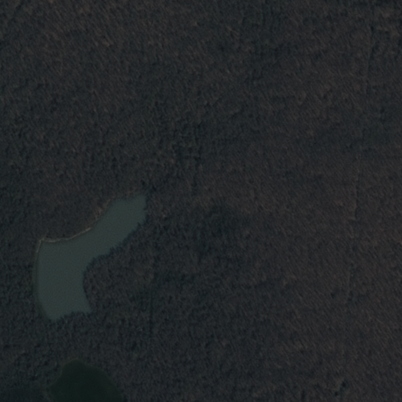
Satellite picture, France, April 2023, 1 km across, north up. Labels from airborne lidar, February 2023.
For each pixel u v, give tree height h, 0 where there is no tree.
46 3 19
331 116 23
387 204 20
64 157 15
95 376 0
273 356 22
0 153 20
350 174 19
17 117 17
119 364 20
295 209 19
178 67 22
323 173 20
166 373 19
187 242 27
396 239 20
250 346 21
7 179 20
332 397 16
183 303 18
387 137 17
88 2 27
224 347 21
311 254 16
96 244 0
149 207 13
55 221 19
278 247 17
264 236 19
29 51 23
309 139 20
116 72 22
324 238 20
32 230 20
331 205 20
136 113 25
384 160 19
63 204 22
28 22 21
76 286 0
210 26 19
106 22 26
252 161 19
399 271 17
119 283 21
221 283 18
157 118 22
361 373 19
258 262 22
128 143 18
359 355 18
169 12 22
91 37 25
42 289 0
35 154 23
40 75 23
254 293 20
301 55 19
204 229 20
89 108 23
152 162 20
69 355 18
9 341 20
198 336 20
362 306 19
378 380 17
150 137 18
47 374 11
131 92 26
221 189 17
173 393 22
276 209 17
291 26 21
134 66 20
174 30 24
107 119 21
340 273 20
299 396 20
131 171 20
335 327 20
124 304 23
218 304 19
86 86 11
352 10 21
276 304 20
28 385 12
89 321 21
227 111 14
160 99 15
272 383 22
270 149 20
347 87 22
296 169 11
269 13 18
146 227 17
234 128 20
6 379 13
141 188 17
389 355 20
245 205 21
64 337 17
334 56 21
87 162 16
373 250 19
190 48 24
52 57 9
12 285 25
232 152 15
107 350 18
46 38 26
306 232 20
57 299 0
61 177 8
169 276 15
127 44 23
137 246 19
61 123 19
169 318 20
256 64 24
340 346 20
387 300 19
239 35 24
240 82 22
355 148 20
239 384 22
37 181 21
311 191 18
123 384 20
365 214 18
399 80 20
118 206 0
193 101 23
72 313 0
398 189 21
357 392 14
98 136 22
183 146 22
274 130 20
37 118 22
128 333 11
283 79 20
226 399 22
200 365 20
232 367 20
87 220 18
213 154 12
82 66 22
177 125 17
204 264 21
